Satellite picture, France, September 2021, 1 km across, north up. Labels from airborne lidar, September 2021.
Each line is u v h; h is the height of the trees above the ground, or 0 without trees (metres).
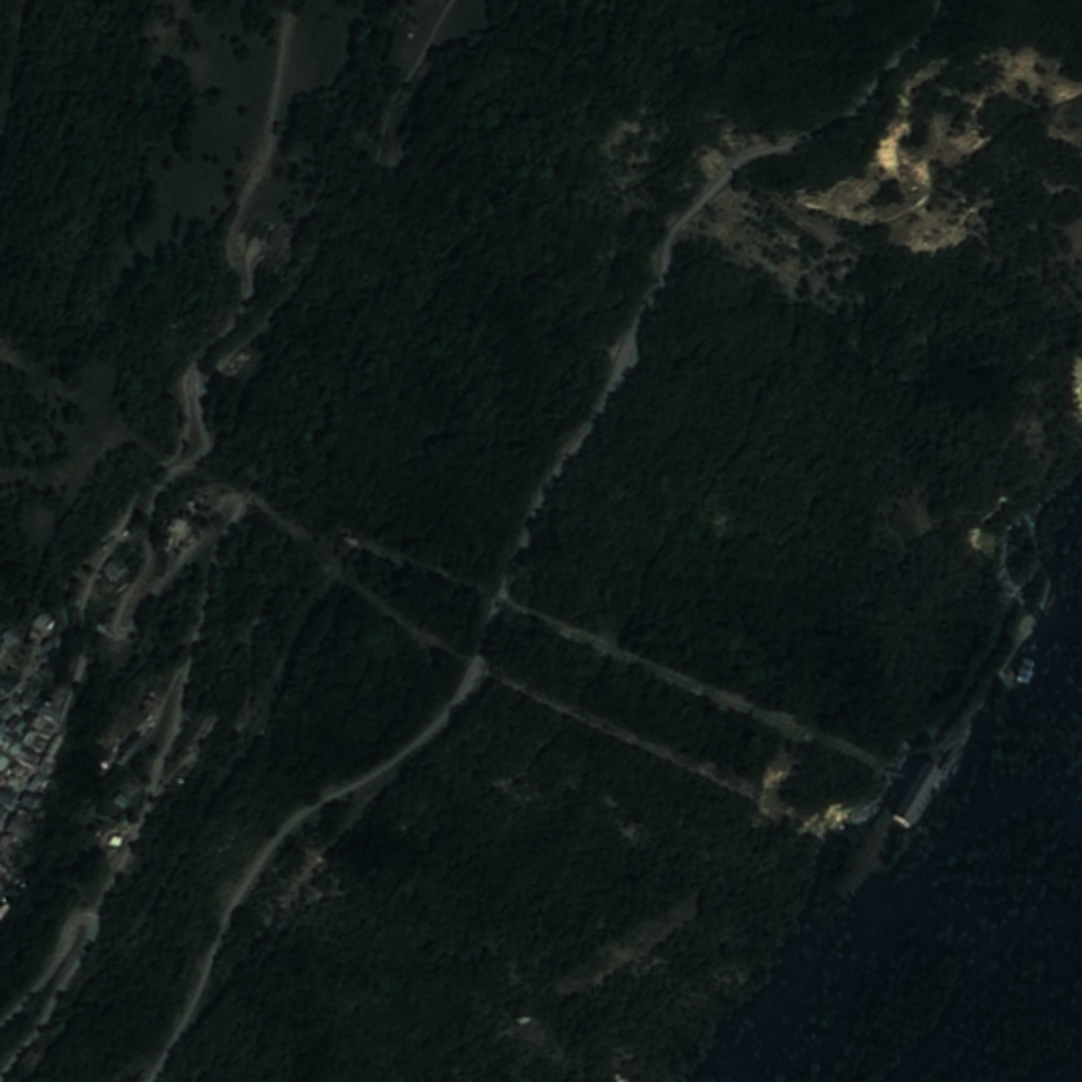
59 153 15
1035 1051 22
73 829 9
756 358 19
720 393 21
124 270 0
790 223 10
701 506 10
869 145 19
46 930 20
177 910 8
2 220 17
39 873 17
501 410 24
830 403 16
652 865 13
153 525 7
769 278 15
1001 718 12
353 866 19
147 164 12
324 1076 26
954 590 17
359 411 25
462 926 13
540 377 15
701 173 11
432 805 21
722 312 17
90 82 22
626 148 13
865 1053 22
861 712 25
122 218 14
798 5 26
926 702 16
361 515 15
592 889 16
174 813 18
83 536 21
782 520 13
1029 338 6
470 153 28
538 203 11
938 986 25
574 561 18
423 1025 15
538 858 22
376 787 0
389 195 24
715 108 17
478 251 22
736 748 14
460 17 0
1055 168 13
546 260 20
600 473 20
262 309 14
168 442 9
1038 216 12
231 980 7
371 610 21
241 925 12
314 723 30
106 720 21
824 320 15
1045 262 6
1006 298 12
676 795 16
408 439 21
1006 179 8
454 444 23
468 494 24
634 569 20
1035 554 16
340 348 22
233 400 14
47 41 17
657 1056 14
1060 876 22
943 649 23
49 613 18
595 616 23
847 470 16
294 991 16
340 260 21
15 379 17
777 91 20
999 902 23
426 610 21
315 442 10
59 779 12
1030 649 0
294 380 17
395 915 16
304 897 13
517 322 29
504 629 18
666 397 15
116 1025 22
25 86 17
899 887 6
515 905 16
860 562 14
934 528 7
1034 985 23
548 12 22
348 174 18
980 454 11
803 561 13
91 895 0
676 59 21
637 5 11
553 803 17
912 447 9
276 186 0
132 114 16
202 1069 16
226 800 12
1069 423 10
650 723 27
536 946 11
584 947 12
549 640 22
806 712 13
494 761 17
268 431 20
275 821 19
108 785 8
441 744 11
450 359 17
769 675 30
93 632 7
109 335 16
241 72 0
